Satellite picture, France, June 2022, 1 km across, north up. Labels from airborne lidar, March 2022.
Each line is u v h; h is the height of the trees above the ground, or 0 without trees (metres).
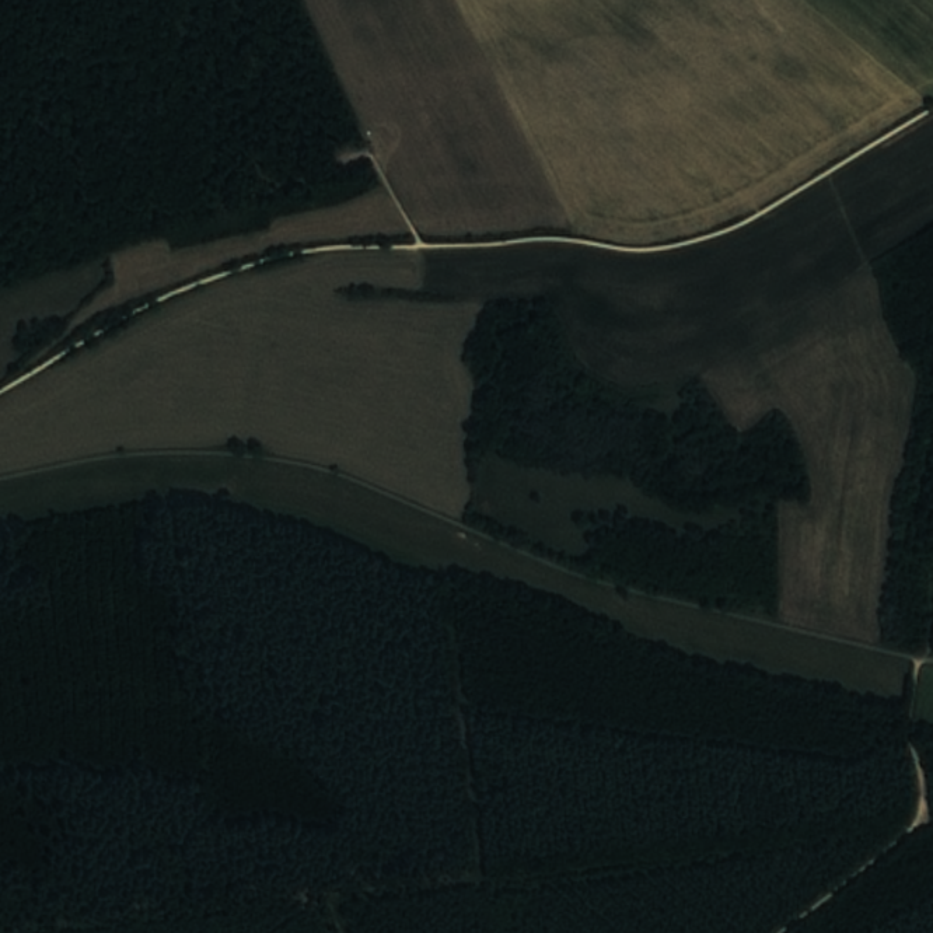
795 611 0
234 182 20
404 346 0
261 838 35
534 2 0
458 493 0
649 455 13
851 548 0
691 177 0
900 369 0
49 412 0
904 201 0
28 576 28
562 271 0
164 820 31
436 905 16
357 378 0
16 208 21
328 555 29
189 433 0
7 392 0
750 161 0
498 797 21
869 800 18
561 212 0
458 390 0
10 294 0
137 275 0
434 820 31
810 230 0
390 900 16
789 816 17
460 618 12
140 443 0
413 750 30
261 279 0
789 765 18
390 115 0
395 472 0
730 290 0
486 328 13
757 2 0
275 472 0
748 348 0
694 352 0
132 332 0
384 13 0
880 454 0
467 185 0
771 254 0
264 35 21
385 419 0
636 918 15
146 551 30
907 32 0
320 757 29
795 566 0
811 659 0
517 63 0
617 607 0
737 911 21
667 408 0
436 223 0
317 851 28
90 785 25
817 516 0
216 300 0
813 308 0
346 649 29
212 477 0
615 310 0
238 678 24
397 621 29
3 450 0
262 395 0
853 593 0
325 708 28
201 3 20
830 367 0
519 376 13
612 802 22
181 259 0
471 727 19
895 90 0
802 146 0
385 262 0
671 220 0
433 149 0
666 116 0
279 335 0
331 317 0
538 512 0
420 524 0
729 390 0
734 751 20
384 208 0
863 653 0
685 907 17
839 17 0
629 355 0
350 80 0
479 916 14
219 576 30
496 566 0
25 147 21
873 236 0
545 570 0
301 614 30
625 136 0
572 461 18
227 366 0
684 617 0
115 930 12
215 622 22
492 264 0
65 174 20
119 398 0
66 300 0
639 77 0
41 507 0
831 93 0
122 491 0
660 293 0
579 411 17
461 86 0
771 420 7
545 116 0
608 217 0
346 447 0
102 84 17
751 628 0
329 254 0
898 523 20
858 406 0
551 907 19
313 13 0
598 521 15
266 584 29
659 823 17
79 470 0
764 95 0
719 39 0
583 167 0
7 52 20
